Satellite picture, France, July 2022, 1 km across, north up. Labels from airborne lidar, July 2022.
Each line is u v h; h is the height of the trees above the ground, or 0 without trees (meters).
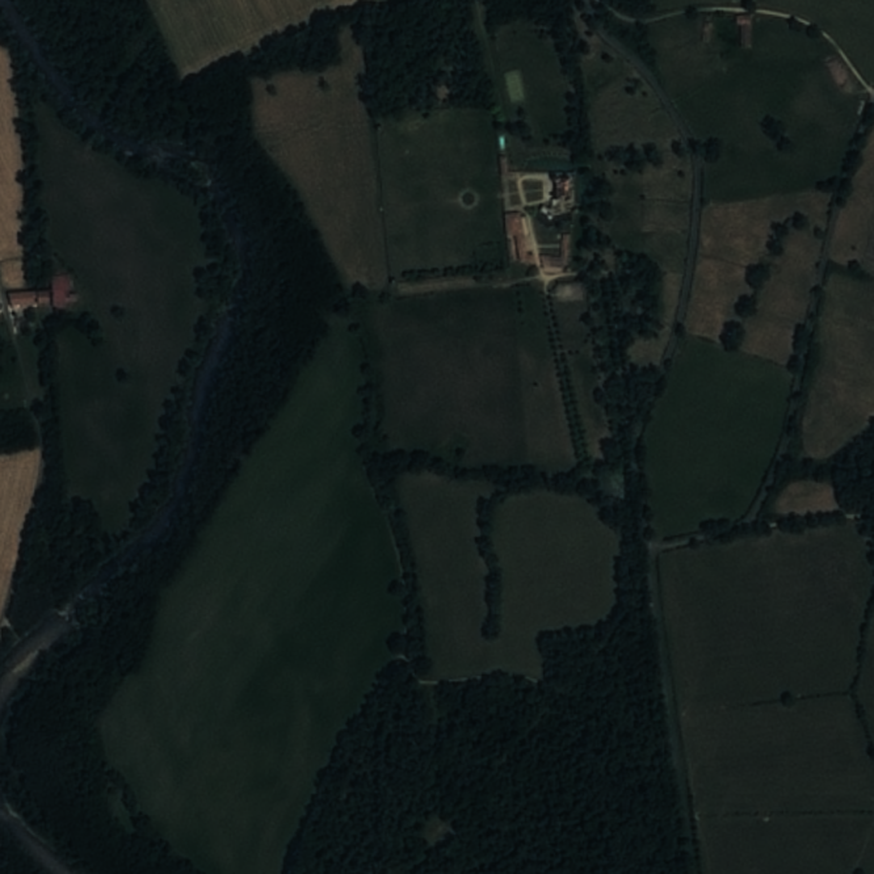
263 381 27
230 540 0
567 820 21
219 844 0
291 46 14
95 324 13
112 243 0
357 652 0
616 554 0
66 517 23
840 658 0
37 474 0
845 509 13
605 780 29
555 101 0
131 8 7
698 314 0
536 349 0
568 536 0
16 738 17
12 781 7
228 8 0
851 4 0
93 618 12
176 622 0
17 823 0
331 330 10
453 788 20
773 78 0
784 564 0
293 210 12
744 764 0
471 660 0
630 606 21
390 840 24
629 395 23
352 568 0
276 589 0
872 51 0
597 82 0
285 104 0
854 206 0
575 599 0
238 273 16
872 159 0
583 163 12
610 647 8
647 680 14
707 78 0
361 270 0
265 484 0
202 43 0
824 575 0
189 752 0
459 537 0
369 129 0
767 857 0
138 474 0
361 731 24
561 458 0
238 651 0
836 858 0
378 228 0
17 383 0
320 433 0
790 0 0
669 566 0
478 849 18
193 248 0
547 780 15
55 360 16
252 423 22
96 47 16
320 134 0
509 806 13
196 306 0
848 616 0
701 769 0
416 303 0
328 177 0
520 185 0
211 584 0
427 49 9
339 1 0
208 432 21
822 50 0
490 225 0
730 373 0
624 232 0
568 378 9
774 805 0
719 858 0
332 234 0
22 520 0
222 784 0
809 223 11
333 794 13
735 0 0
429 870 14
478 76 20
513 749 16
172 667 0
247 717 0
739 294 0
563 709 16
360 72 0
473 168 0
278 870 0
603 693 23
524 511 0
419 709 25
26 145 15
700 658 0
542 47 0
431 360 0
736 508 0
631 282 21
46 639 0
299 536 0
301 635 0
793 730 0
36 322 8
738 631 0
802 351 14
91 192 0
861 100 0
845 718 0
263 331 24
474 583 0
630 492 16
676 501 0
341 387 0
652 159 20
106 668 7
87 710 11
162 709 0
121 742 0
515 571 0
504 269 7
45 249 26
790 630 0
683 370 0
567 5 15
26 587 16
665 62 0
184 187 13
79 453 0
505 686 14
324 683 0
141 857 17
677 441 0
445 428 0
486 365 0
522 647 0
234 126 17
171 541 17
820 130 0
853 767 0
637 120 0
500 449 0
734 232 0
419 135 0
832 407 0
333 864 14
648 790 23
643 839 27
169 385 0
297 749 0
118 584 26
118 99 16
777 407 0
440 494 0
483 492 0
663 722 16
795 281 0
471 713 16
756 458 0
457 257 0
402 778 24
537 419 0
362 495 0
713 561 0
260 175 12
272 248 16
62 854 9
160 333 0
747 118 0
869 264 0
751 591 0
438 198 0
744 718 0
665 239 0
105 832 18
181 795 0
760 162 0
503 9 6
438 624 0
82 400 0
